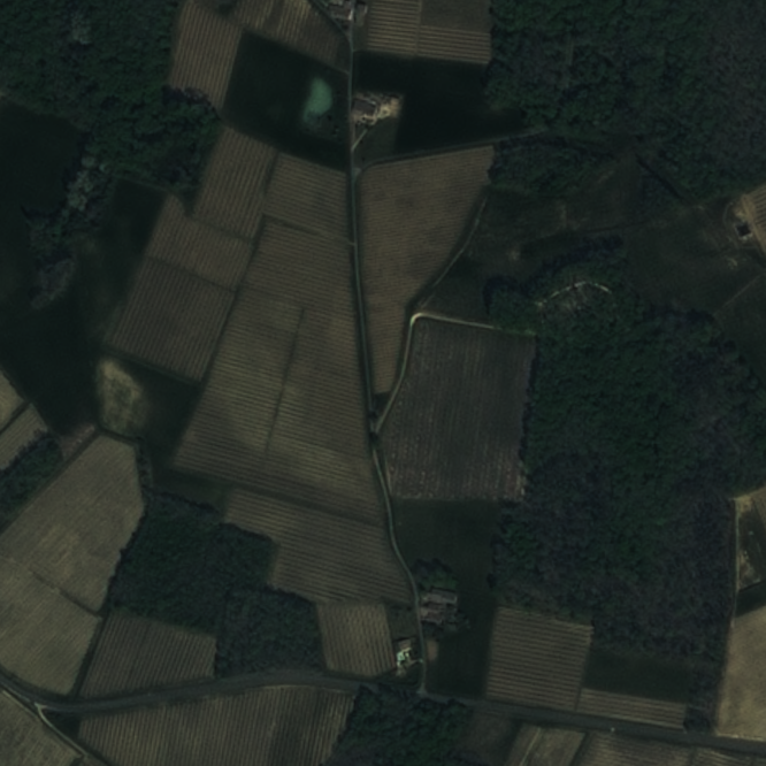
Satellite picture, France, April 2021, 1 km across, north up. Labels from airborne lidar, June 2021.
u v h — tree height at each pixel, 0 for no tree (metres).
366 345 0
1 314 0
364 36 0
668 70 16
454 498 0
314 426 0
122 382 0
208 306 0
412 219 0
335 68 0
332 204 0
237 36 0
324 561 0
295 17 0
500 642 0
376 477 0
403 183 0
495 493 0
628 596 19
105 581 0
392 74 0
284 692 0
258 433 0
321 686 0
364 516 0
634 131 23
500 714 0
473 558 0
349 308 0
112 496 0
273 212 0
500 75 19
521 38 16
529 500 15
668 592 15
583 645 0
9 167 0
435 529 0
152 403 0
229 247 0
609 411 25
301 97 0
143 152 24
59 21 20
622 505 22
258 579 11
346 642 0
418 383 0
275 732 0
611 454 24
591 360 23
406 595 0
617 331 19
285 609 22
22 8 18
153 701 0
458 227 0
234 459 0
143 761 0
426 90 0
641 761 0
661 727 0
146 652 0
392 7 0
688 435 22
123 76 26
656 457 28
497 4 24
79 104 19
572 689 0
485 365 0
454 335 0
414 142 0
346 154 0
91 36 26
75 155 0
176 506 14
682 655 7
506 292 25
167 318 0
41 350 0
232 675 17
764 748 0
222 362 0
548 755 0
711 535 21
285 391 0
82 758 0
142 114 21
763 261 0
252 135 0
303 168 0
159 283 0
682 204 22
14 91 22
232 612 15
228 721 0
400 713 18
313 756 0
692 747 0
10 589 0
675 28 19
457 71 0
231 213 0
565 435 25
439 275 0
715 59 9
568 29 20
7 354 0
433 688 0
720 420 11
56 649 0
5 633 0
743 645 0
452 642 0
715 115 20
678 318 21
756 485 15
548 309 18
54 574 0
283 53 0
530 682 0
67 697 0
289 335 0
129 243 0
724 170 18
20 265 0
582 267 20
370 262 0
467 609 0
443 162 0
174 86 0
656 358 23
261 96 0
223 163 0
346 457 0
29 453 12
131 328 0
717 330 21
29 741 0
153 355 0
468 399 0
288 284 0
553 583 16
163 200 0
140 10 23
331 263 0
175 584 13
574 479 13
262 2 0
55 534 0
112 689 0
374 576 0
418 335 0
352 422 0
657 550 21
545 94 24
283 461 0
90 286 0
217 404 0
